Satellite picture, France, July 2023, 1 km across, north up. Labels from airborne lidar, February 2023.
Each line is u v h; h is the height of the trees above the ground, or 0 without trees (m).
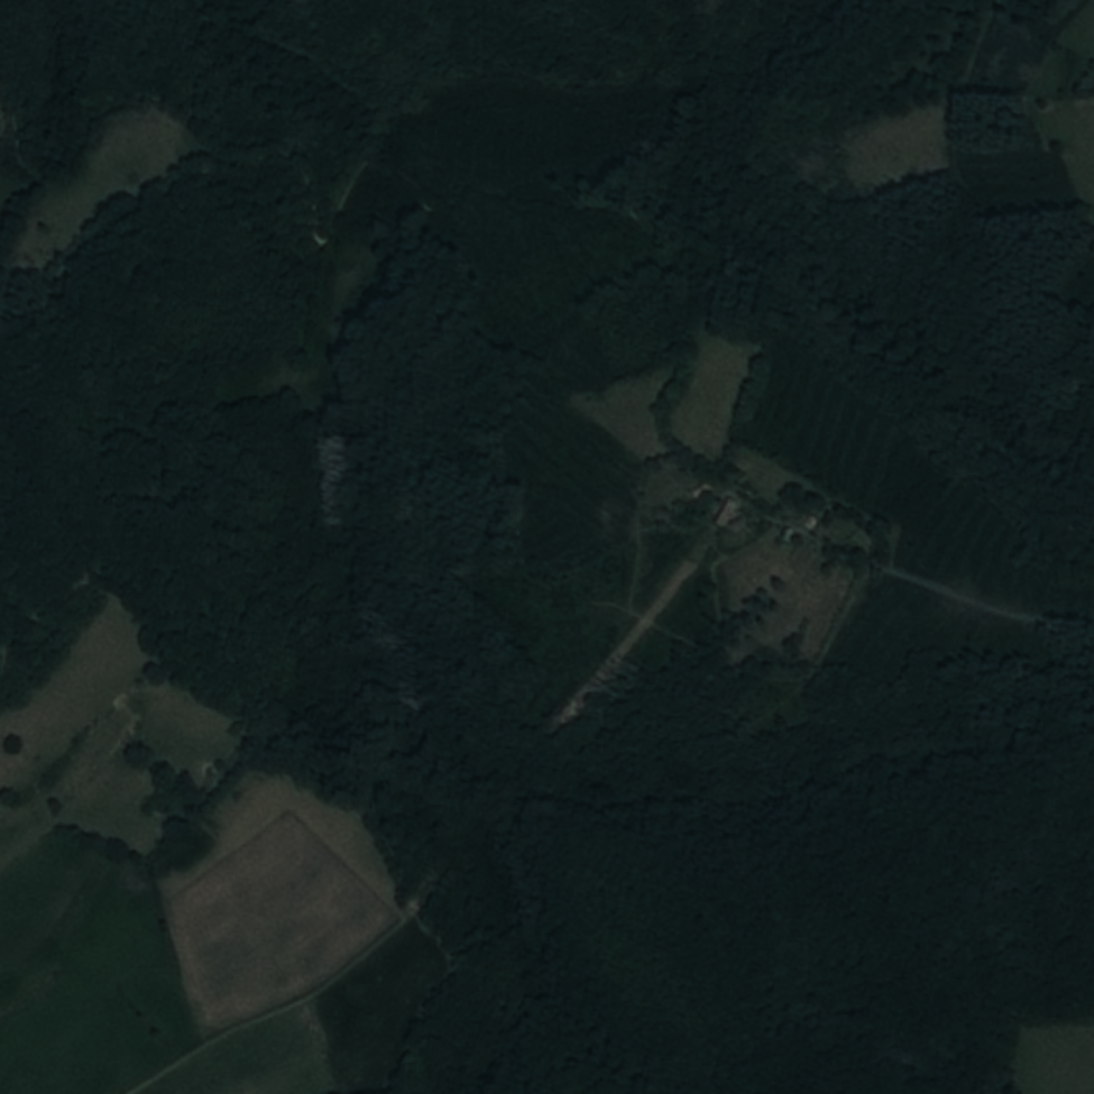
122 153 0
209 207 25
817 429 0
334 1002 0
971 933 22
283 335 23
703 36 6
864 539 0
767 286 16
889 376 26
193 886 0
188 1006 0
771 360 15
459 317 17
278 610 24
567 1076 20
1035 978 22
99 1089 0
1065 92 7
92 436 29
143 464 27
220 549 25
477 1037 26
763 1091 23
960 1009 26
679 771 22
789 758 17
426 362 27
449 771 32
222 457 21
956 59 13
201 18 15
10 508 11
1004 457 26
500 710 19
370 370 30
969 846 24
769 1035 23
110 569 14
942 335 25
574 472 0
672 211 8
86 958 0
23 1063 0
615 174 12
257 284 22
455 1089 14
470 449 19
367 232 10
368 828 8
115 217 21
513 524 27
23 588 14
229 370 24
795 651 14
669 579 0
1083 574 18
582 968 20
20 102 20
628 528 0
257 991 0
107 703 0
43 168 9
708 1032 19
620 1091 24
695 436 0
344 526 17
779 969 20
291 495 13
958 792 24
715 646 11
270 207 13
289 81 11
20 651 14
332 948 0
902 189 21
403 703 34
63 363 13
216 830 0
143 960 0
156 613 21
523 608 0
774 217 24
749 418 17
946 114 0
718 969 22
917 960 23
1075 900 25
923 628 0
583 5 16
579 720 10
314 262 10
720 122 21
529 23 16
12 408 14
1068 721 30
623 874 17
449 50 12
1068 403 25
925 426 25
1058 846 24
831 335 21
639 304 9
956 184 18
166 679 20
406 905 12
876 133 0
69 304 15
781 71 19
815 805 14
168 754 0
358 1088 0
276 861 0
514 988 23
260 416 12
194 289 22
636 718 15
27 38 20
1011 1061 19
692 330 11
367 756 26
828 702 13
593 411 0
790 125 18
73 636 7
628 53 21
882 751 27
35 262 0
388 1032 0
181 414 23
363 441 22
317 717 14
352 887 0
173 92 13
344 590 10
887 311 30
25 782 0
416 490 20
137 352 19
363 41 8
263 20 18
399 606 25
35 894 0
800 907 22
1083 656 23
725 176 23
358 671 13
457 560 18
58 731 0
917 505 6
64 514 18
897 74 7
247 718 16
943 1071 24
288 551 15
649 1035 20
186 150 0
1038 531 23
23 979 0
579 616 0
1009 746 17
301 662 17
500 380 21
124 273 21
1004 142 27
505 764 25
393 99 14
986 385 28
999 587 0
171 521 26
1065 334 27
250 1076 0
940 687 17
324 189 11
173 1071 0
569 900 22
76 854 0
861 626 0
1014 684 28
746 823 25
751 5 15
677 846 24
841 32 21
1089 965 23
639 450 0
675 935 24
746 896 24
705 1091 26
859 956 22
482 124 6
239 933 0
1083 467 11
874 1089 25
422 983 0
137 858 14
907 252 16
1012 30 0
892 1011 28
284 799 0
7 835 0
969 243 21
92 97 15
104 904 0
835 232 18
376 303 10
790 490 12
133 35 16
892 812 23
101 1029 0
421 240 23
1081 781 24
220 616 23
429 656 27
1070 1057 0
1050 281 27
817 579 0
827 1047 22
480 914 24
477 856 14
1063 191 0
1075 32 0
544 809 28
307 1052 0
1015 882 24
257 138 12
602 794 19
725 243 14
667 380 0
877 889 24
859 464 0
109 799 0
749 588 0
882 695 12
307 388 0
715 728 9
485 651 18
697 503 7
